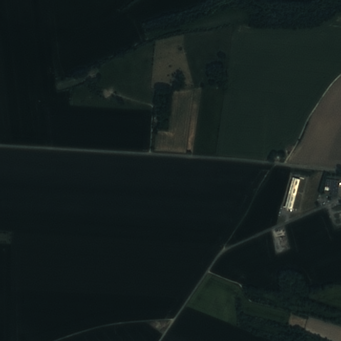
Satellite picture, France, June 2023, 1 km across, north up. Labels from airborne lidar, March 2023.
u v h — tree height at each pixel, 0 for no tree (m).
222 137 0
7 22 0
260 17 17
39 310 0
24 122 0
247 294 13
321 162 0
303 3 17
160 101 17
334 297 0
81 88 0
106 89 0
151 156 0
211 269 0
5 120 0
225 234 0
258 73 0
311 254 0
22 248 0
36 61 0
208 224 0
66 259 0
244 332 0
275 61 0
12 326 0
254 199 0
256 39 0
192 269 0
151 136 0
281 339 10
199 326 0
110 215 0
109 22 0
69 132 0
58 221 0
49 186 0
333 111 0
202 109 0
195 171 0
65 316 0
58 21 0
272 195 0
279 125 0
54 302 0
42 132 0
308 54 0
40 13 0
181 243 0
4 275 0
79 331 0
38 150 0
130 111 0
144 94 0
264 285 0
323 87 0
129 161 0
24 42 0
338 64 0
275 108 0
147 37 0
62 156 0
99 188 0
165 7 0
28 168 0
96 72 0
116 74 0
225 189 0
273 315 0
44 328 0
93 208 0
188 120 0
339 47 0
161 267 0
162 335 0
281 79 0
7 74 0
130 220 0
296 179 0
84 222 0
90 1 0
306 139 0
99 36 0
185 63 0
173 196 0
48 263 0
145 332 0
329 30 0
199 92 0
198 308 0
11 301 0
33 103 0
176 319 0
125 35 0
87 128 0
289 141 0
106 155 0
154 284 0
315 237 0
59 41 0
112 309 0
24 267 0
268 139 0
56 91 0
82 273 0
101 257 0
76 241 0
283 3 13
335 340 0
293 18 15
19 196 0
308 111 0
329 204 0
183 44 0
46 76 0
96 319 0
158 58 0
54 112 0
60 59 0
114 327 0
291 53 0
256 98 0
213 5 14
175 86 17
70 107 0
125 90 0
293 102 0
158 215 0
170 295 0
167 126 13
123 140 0
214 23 0
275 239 0
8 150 0
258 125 0
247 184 0
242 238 0
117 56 11
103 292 0
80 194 0
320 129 0
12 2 0
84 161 0
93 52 0
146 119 0
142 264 0
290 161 0
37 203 0
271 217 0
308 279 0
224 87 18
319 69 0
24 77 0
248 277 0
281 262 0
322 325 0
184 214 0
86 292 0
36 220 0
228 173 0
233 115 0
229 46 0
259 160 0
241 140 0
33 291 0
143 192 0
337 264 0
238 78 0
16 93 0
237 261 0
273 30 0
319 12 6
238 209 0
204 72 0
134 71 0
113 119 0
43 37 0
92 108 0
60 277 0
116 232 0
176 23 18
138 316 0
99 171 0
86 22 0
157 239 0
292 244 0
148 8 0
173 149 0
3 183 0
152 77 0
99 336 0
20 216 0
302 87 0
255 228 0
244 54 0
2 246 0
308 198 0
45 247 0
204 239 0
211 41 0
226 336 0
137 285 0
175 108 0
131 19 0
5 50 0
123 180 0
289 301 21
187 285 0
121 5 0
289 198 0
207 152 0
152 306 0
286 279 29
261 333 5
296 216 0
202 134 0
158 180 0
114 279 0
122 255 0
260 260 0
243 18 0
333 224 0
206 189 0
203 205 0
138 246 0
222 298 0
